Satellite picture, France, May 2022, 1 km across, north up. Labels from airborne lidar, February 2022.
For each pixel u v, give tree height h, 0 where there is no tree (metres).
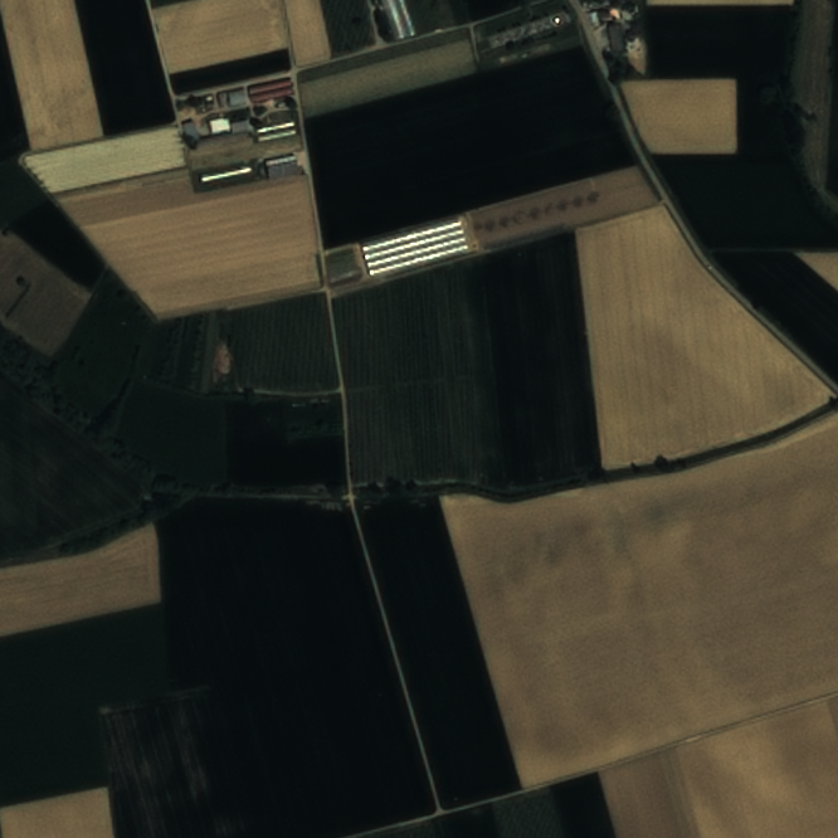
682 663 0
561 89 0
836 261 0
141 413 0
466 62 0
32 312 0
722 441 0
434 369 0
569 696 0
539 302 0
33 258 0
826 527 0
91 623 0
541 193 0
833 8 0
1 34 0
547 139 0
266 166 0
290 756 0
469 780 0
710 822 0
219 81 0
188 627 0
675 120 0
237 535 0
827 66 0
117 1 0
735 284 0
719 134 0
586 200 0
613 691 0
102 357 0
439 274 0
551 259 0
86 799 0
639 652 0
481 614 0
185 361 0
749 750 0
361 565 0
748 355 0
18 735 0
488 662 0
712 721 0
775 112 0
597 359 0
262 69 0
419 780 0
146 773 0
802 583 0
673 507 0
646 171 0
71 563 0
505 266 0
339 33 0
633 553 0
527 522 0
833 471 0
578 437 0
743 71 0
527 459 0
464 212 0
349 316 0
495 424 0
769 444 0
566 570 0
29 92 0
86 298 0
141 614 0
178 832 0
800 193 0
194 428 0
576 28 0
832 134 0
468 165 0
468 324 0
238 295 0
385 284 0
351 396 0
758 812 0
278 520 0
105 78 0
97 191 0
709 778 0
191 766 0
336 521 0
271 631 0
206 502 0
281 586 0
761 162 0
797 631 0
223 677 0
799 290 0
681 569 0
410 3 0
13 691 0
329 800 0
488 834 0
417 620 0
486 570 0
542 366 0
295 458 0
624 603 0
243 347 0
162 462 0
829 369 0
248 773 0
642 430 0
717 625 0
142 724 0
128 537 0
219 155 0
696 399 0
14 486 0
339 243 0
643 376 0
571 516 0
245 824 0
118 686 0
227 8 0
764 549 0
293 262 0
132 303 0
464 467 0
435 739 0
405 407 0
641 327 0
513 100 0
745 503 0
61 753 0
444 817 0
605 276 0
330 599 0
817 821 0
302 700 0
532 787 0
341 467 0
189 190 0
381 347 0
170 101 0
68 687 0
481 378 0
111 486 0
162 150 0
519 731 0
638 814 0
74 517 0
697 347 0
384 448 0
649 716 0
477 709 0
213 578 0
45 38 0
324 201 0
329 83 0
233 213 0
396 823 0
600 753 0
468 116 0
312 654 0
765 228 0
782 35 0
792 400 0
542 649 0
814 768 0
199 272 0
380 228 0
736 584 0
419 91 0
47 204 0
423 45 0
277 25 0
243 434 0
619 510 0
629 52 0
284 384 0
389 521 0
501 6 0
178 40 0
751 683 0
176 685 0
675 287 0
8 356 24
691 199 0
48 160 0
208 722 0
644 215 0
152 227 0
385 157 0
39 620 0
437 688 0
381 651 0
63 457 0
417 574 0
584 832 0
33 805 0
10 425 0
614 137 0
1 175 0
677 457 0
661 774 0
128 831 0
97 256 0
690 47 0
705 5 0
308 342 0
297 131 0
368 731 0
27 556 0
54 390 13
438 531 0
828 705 0
